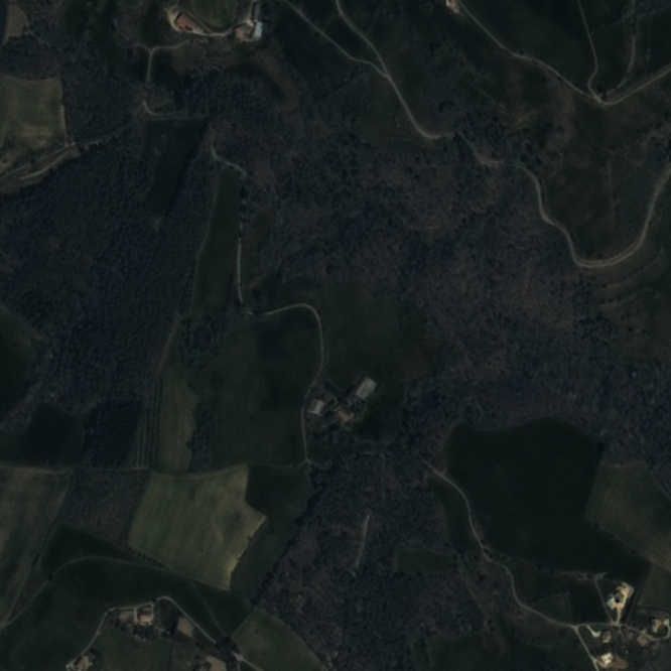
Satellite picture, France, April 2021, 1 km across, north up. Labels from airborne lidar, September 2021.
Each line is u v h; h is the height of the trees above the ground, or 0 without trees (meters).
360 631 16
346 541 15
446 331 14
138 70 0
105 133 17
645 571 0
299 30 0
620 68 0
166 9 0
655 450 14
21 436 0
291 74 14
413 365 0
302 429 0
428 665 9
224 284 0
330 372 0
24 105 0
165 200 0
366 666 15
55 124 0
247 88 17
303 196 16
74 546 0
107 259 20
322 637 15
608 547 0
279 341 0
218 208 0
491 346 11
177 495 0
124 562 0
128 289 16
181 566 0
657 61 0
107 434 23
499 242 8
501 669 0
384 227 20
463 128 9
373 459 10
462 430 0
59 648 0
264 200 10
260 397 0
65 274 17
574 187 0
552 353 17
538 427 0
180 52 0
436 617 17
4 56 15
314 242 8
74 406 18
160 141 0
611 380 15
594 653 12
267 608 9
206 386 0
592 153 0
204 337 0
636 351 0
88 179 10
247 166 15
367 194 16
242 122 18
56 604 0
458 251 14
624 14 6
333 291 0
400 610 17
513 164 20
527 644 9
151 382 13
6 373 0
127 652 0
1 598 0
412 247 19
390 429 0
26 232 12
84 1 0
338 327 0
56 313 12
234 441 0
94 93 14
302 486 0
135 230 15
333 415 14
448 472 0
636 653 8
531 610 0
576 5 0
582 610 0
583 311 16
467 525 0
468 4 0
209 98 20
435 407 14
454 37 0
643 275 0
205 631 0
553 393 14
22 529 0
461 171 14
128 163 16
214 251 0
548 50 0
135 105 12
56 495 0
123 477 8
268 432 0
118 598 0
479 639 0
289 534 0
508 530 0
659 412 15
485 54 0
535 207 11
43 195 16
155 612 11
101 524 6
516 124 0
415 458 13
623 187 0
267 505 0
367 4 0
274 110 21
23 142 0
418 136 0
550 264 14
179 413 0
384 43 0
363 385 0
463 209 17
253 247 0
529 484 0
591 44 0
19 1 9
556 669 18
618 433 13
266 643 0
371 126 0
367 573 16
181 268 15
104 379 16
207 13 0
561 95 0
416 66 0
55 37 22
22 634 0
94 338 19
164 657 0
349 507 14
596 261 11
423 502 14
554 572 13
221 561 0
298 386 0
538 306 8
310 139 17
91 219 15
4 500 0
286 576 10
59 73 10
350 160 6
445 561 0
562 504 0
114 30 13
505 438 0
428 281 18
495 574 13
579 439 0
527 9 0
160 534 0
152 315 16
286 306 0
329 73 0
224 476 0
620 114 0
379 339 0
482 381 22
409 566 0
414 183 10
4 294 15
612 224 0
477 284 10
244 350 0
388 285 10
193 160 15
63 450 0
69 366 16
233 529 0
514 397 15
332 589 13
